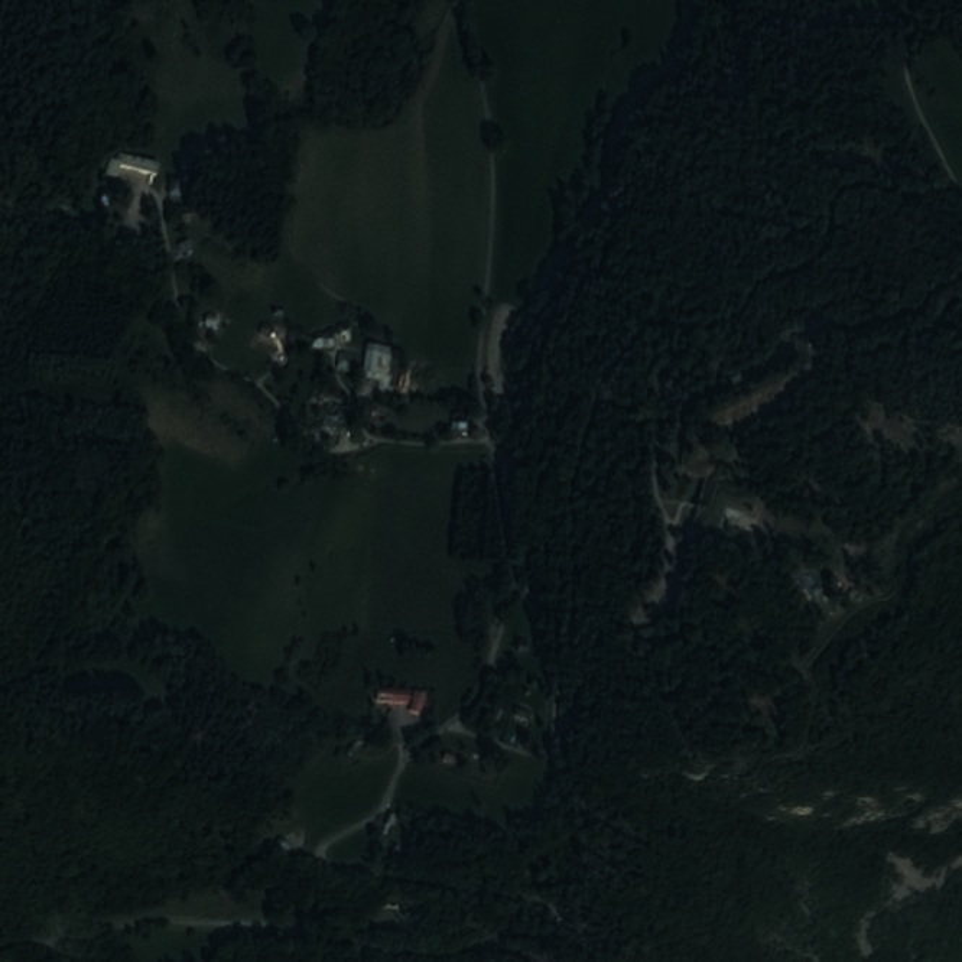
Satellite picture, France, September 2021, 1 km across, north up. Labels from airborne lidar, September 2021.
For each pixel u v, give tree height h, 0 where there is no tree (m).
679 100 20
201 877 22
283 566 0
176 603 0
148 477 22
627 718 15
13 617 14
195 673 27
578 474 14
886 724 29
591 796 30
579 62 0
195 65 0
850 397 18
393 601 0
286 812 8
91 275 29
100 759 25
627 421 10
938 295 14
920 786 28
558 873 11
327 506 0
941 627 29
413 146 0
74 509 27
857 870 17
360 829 0
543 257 0
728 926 24
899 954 12
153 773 34
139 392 0
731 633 17
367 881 25
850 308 11
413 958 19
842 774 19
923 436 26
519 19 0
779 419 16
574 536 28
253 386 11
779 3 29
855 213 14
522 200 0
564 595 28
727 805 20
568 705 12
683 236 22
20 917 23
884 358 15
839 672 18
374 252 0
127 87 31
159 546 0
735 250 35
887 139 26
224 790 27
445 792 0
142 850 24
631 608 11
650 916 28
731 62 11
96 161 27
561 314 35
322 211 0
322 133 0
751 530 0
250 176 29
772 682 27
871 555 11
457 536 13
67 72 22
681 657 17
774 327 8
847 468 19
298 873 27
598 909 27
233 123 0
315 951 28
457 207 0
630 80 0
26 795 21
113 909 18
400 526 0
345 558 0
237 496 0
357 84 25
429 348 0
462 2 21
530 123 0
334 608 0
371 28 29
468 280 0
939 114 0
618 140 16
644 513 21
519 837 24
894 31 24
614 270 28
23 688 35
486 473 8
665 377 11
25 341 26
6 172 22
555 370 30
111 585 17
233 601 0
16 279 29
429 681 0
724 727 19
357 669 0
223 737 25
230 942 21
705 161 21
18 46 19
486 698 8
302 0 0
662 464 15
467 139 0
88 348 25
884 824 19
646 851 19
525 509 32
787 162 26
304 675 16
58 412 9
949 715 19
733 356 10
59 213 0
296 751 23
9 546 24
